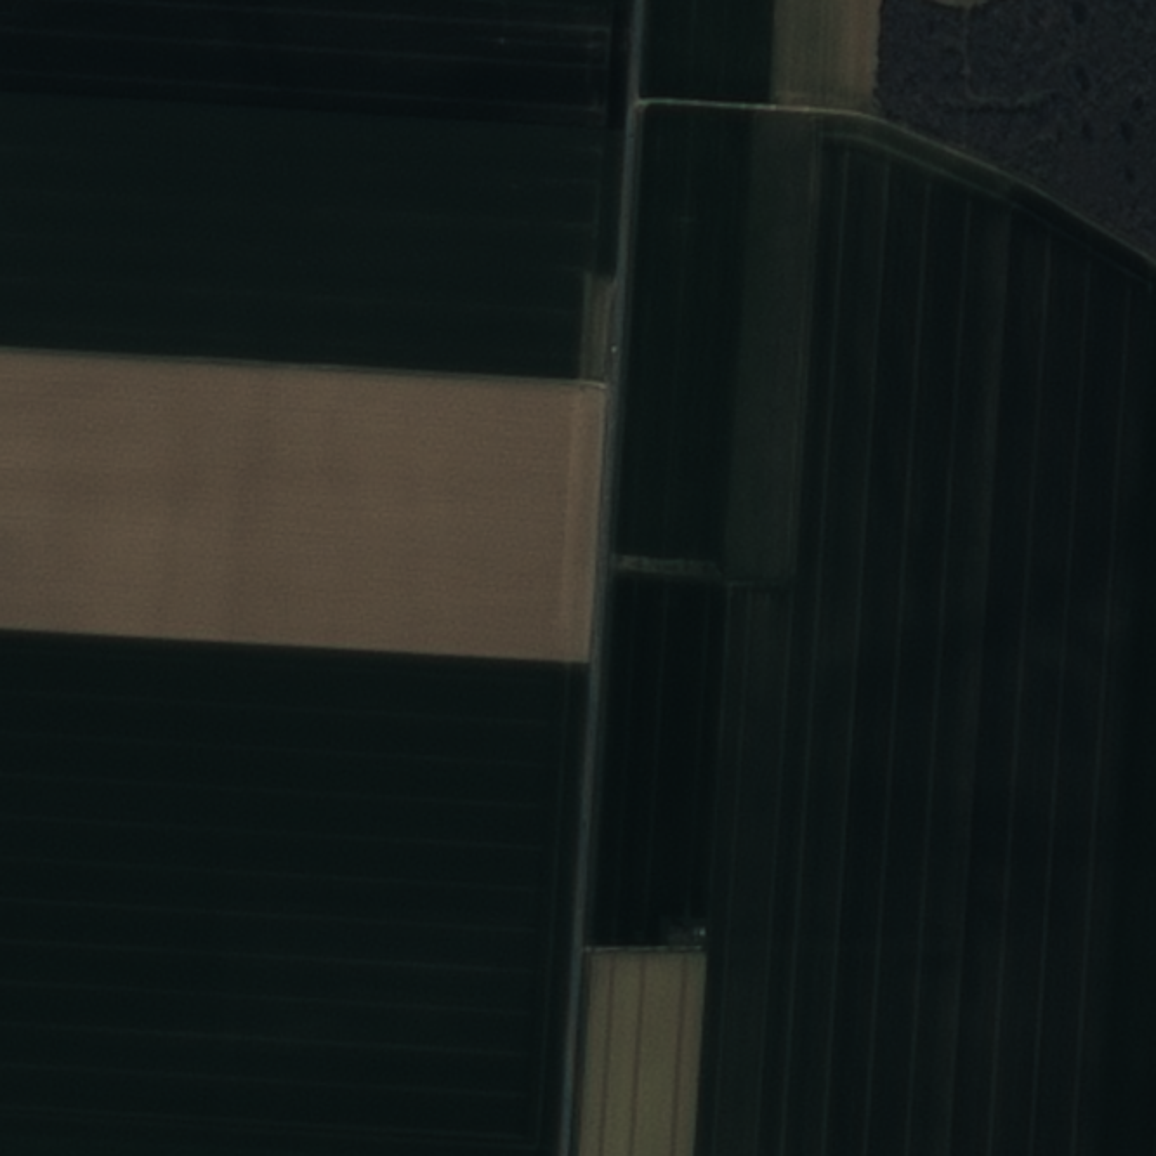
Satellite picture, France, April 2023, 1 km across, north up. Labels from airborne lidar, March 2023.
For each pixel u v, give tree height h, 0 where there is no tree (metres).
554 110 0
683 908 0
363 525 0
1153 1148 0
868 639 0
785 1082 0
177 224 0
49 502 0
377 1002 0
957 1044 0
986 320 0
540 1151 0
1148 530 0
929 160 0
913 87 15
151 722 0
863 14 0
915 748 0
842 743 0
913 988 0
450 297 0
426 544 0
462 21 0
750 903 0
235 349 0
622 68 0
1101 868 0
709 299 0
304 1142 0
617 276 0
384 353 0
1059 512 0
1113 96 15
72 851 0
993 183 0
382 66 0
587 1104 0
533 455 0
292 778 0
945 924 0
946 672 0
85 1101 0
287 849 0
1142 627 0
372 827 0
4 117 0
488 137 0
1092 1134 0
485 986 0
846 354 0
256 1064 0
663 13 0
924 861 0
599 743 0
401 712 0
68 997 0
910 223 0
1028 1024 0
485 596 0
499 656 0
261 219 0
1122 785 0
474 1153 0
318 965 0
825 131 0
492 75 0
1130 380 0
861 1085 0
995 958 0
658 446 0
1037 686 0
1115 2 16
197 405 0
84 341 0
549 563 0
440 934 0
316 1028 0
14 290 0
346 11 0
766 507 0
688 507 0
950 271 0
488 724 0
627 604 0
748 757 0
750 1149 0
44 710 0
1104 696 0
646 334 0
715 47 0
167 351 0
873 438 0
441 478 0
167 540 0
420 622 0
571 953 0
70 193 0
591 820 0
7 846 0
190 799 0
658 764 0
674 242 0
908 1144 0
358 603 0
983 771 0
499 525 0
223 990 0
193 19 0
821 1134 0
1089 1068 0
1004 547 0
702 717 0
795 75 0
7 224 0
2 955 0
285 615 0
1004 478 0
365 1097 0
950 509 0
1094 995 0
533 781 0
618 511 0
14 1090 0
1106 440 0
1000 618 0
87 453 0
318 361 0
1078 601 0
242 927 0
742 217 0
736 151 0
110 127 0
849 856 0
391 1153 0
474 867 0
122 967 0
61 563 0
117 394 0
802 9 0
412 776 0
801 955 0
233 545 0
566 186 0
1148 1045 0
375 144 0
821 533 0
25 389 0
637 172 0
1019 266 0
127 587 0
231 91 0
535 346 0
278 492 0
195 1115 0
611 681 0
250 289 0
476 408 0
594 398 0
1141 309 0
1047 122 14
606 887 0
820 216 0
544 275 0
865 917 0
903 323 0
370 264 0
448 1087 0
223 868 0
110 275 0
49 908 0
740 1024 0
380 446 0
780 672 0
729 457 0
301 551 0
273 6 0
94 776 0
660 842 0
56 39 0
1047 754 0
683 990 0
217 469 0
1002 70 7
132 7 0
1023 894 0
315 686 0
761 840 0
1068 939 0
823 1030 0
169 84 0
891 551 0
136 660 0
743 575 0
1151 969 0
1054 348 0
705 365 0
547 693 0
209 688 0
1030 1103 0
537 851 0
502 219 0
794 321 0
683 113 0
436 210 0
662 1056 0
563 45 0
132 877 0
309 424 0
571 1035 0
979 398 0
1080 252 0
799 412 0
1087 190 6
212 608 0
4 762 0
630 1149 0
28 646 0
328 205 0
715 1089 0
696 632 0
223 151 0
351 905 0
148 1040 0
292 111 0
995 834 0
